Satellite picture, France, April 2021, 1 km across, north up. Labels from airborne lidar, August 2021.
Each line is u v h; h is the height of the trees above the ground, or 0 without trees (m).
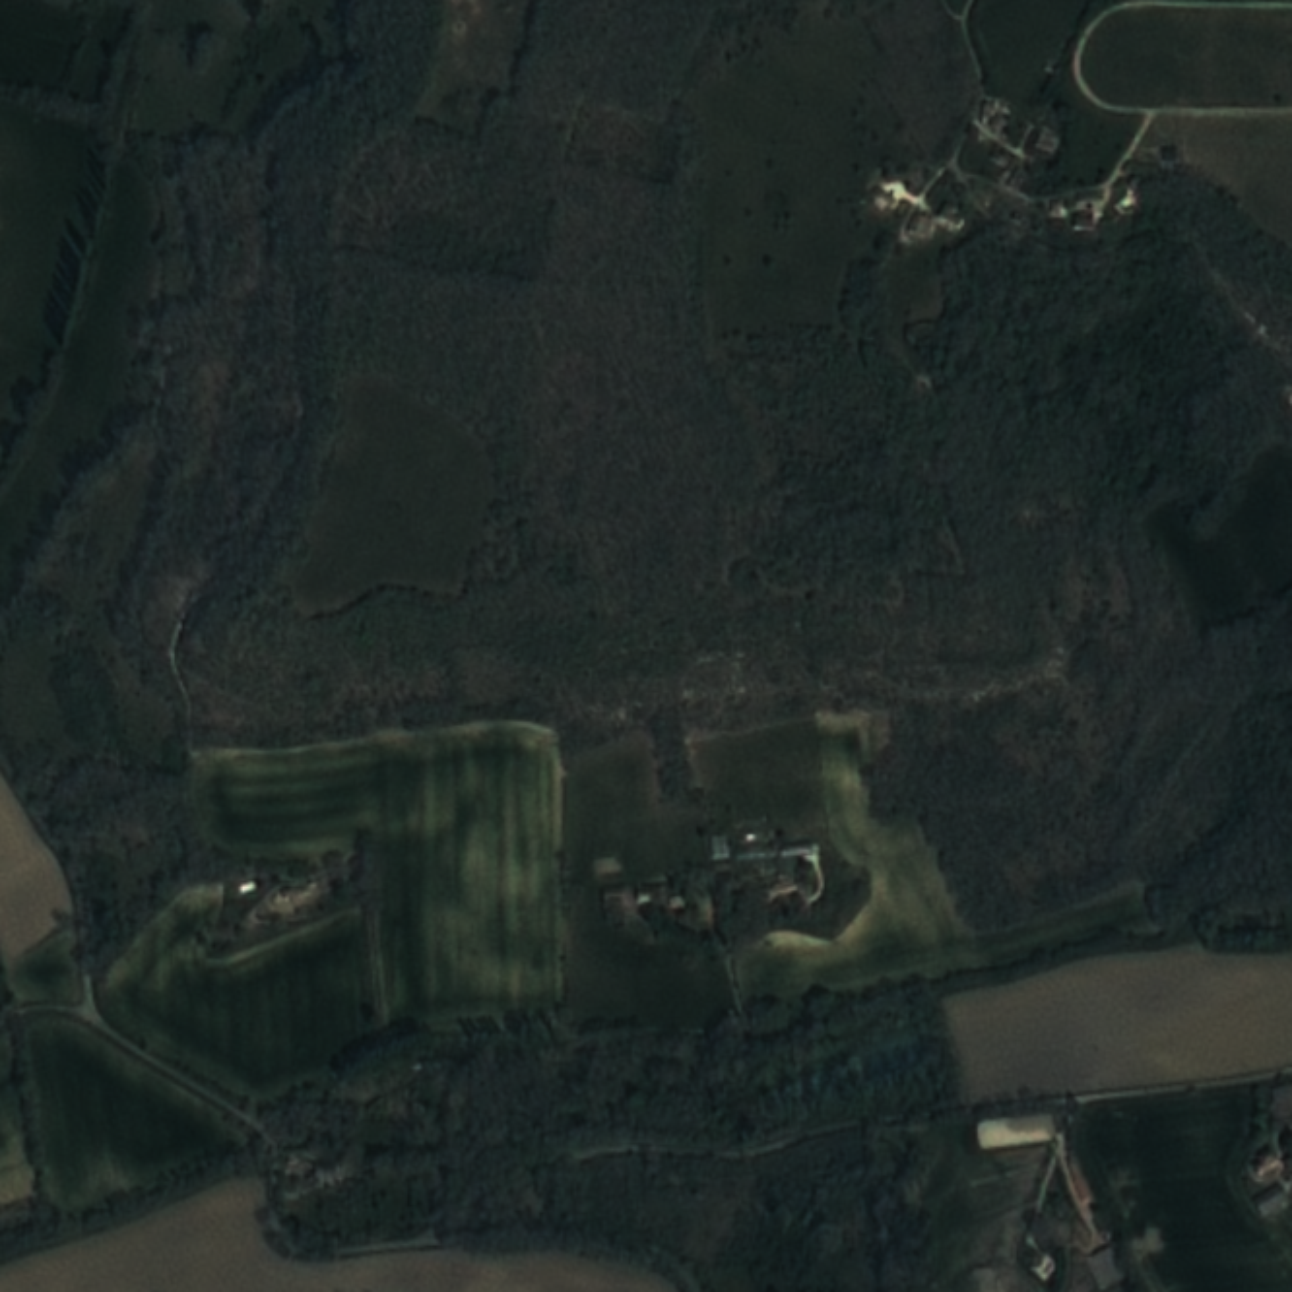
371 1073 30
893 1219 22
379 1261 0
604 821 0
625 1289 0
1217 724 18
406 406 0
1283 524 0
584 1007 0
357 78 22
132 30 11
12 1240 7
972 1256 0
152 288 0
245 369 9
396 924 0
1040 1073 0
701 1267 6
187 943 0
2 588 0
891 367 13
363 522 0
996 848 17
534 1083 24
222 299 16
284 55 0
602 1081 21
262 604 10
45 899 0
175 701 14
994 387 24
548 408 11
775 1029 16
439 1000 0
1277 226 0
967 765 21
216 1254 0
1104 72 0
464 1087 28
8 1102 0
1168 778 18
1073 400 10
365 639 15
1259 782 12
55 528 20
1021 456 22
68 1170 0
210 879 23
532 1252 16
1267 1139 11
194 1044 0
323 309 6
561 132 11
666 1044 15
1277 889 18
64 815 8
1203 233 27
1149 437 9
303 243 13
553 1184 17
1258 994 0
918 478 8
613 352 14
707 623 6
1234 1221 0
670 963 0
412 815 0
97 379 0
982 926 22
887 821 19
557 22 15
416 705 16
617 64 14
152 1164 0
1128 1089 0
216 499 7
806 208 0
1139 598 14
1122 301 20
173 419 17
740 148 0
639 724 6
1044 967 8
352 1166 16
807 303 0
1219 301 18
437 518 0
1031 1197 0
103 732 7
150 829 21
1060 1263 6
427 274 17
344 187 7
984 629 10
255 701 8
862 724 0
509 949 0
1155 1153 0
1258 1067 0
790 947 0
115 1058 0
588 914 0
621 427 15
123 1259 0
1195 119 0
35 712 0
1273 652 20
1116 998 0
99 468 25
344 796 0
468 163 12
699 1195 9
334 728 9
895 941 0
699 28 16
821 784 0
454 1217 22
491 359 15
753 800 0
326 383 9
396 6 18
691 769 20
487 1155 19
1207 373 6
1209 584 0
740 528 8
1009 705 11
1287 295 7
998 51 0
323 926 0
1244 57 0
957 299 8
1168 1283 0
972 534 17
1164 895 16
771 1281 0
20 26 0
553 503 12
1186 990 0
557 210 13
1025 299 22
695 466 13
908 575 17
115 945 14
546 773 0
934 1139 0
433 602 11
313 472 17
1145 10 0
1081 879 11
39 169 0
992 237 17
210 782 0
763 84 0
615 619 7
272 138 15
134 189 0
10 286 0
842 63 0
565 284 15
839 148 0
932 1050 17
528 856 0
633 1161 6
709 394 16
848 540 15
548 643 15
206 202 18
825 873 0
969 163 0
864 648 9
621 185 13
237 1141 0
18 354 0
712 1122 10
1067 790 12
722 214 0
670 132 7
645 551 13
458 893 0
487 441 10
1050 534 13
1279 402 12
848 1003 12
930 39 0
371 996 0
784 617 9
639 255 16
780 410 6
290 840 0
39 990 0
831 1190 6
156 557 11
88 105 13
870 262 7
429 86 12
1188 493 17
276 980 0
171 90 0
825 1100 28
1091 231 13
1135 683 16
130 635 19
